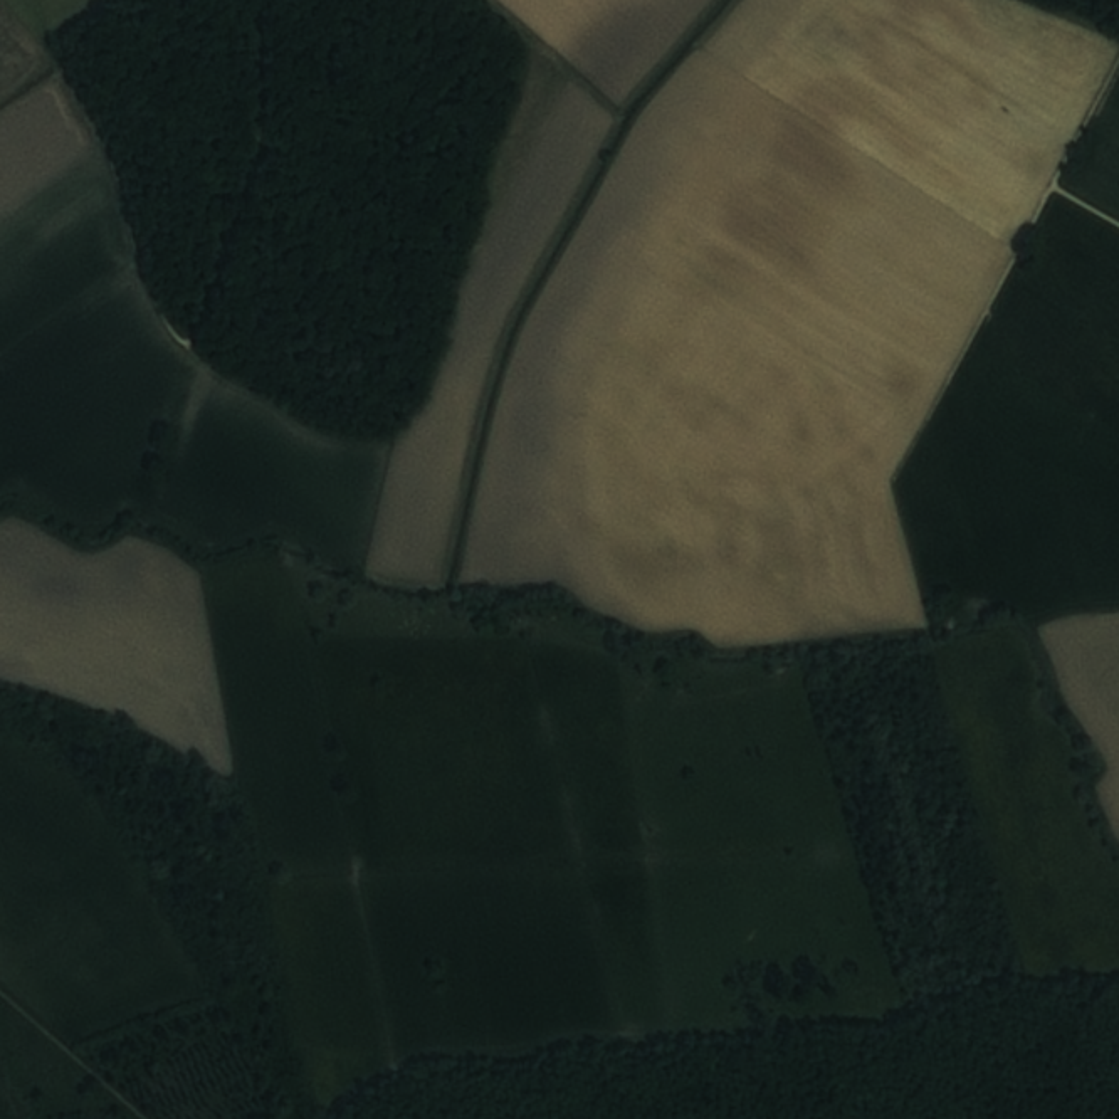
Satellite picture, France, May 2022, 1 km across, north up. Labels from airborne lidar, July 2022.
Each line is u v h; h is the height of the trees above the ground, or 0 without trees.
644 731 0
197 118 27
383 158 25
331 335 26
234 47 24
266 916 6
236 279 26
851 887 0
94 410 0
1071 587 0
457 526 0
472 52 28
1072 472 0
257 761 0
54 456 0
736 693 0
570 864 0
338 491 0
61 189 0
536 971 0
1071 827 0
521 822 0
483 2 17
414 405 19
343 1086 0
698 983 0
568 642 0
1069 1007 25
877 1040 22
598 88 0
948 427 0
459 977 0
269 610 0
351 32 25
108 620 0
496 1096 23
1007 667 0
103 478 0
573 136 0
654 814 0
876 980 0
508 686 0
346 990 0
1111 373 0
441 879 0
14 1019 0
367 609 0
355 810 0
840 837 0
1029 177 0
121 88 25
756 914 0
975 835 22
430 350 23
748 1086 23
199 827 8
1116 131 0
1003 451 0
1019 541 0
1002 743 0
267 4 26
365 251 23
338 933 0
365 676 0
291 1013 0
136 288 0
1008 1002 22
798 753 0
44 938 0
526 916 0
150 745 17
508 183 0
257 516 0
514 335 0
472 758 0
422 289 24
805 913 0
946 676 0
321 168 28
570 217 0
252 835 6
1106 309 0
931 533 0
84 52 23
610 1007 0
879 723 15
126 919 0
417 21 27
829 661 9
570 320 0
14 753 0
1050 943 0
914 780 15
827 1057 23
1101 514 0
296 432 0
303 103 26
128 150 24
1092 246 0
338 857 0
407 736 0
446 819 0
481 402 0
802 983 26
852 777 6
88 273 0
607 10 0
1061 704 0
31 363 0
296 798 0
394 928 0
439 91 22
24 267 0
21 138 0
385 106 25
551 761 0
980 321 0
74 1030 0
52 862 0
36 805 0
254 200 25
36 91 0
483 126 25
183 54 30
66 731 9
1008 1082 24
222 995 8
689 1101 25
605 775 0
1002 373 0
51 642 0
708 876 0
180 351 0
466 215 20
